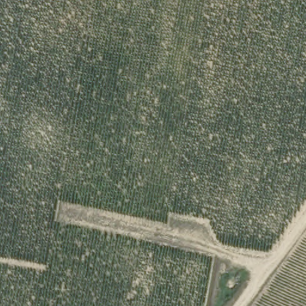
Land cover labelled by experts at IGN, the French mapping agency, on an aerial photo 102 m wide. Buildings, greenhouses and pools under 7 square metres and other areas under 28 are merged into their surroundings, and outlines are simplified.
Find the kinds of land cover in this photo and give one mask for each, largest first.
<instances>
[{"label":"vineyard","instance_id":"1","mask_svg":"<svg viewBox=\"0 0 306 306\"><path fill-rule=\"evenodd\" d=\"M57 201L159 221L163 224L167 221L169 213L190 214L208 219L209 224L221 244L241 249L269 251L276 240H280L284 229L306 201V0H0V306H203L212 257L197 252L149 243L129 235L57 222L54 218ZM246 306H306V238L302 239L292 257L283 256Z\"/></svg>","mask_w":306,"mask_h":306},{"label":"herbaceous vegetation","instance_id":"2","mask_svg":"<svg viewBox=\"0 0 306 306\"><path fill-rule=\"evenodd\" d=\"M57 222L129 235L149 243L197 252L195 247L183 246V238L172 235L173 229H194L207 233L206 225L209 224L208 219L190 214L169 213L167 221L163 224L159 221L57 201L54 218ZM250 273L228 259L212 257L203 306H233L246 288Z\"/></svg>","mask_w":306,"mask_h":306},{"label":"pervious surface","instance_id":"3","mask_svg":"<svg viewBox=\"0 0 306 306\"><path fill-rule=\"evenodd\" d=\"M207 233L194 229H173L172 235L183 238V246L195 247L197 252L212 257L228 259L250 273L246 288L233 306H246L283 256L292 257L302 239L306 238V201L284 229L280 240H276L269 251L241 249L221 244L209 224L206 225Z\"/></svg>","mask_w":306,"mask_h":306}]
</instances>
